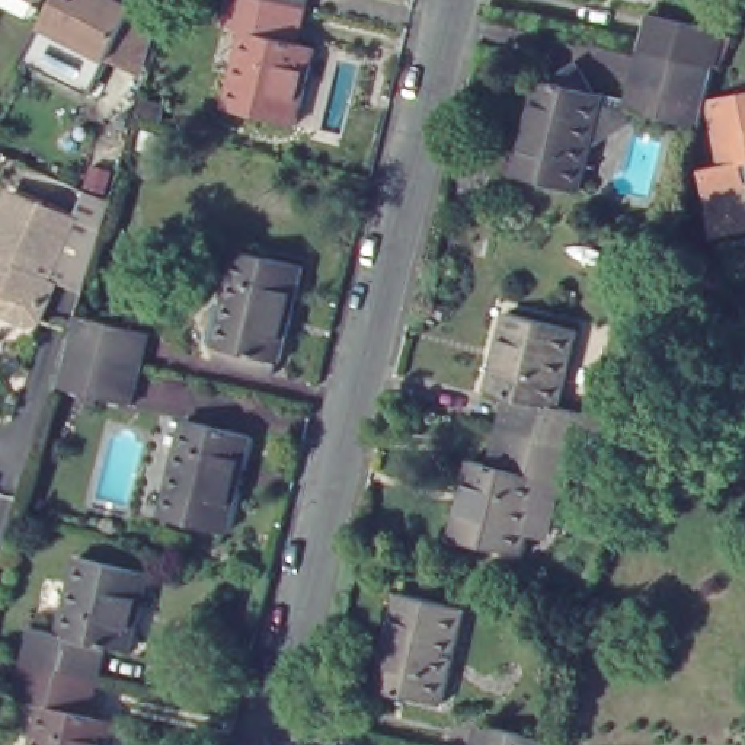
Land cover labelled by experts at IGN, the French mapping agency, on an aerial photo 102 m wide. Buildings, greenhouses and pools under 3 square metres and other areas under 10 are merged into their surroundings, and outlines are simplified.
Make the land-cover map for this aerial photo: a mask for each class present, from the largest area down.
<instances>
[{"label":"deciduous trees","instance_id":"1","mask_svg":"<svg viewBox=\"0 0 745 745\"><path fill-rule=\"evenodd\" d=\"M122 12L134 35L148 41L146 73L154 70L160 105H183L186 93H178V81L189 76V67H169V61L157 49H186L207 44L198 26L218 20L210 9V0H122ZM745 9V0H664L652 12L658 17L678 23H687L693 17L698 29L719 38L736 29L739 12ZM550 70H556L537 52L495 49L489 64L474 67L469 87L448 96L428 113L422 128V148L428 163L439 172V186L448 183V192L442 201H434L422 259H434L437 271L431 308L442 311V320H451L474 291V253L469 247H460L457 242L469 227H477V215H512L521 224V242L530 247L544 250L553 242L562 212H550V198L538 195L533 186L509 178V154L515 148L524 113L521 96H530L535 87H541V79ZM26 93H32L35 99H47L52 96V90L32 73V67L29 64L20 67V79L12 87H0V154L23 163L26 169L44 172L49 163L32 151L35 143L29 137V122L15 113V108ZM146 131L151 134L148 148L154 154V172L160 183H169L180 175H198L207 169V157L215 148H221L224 140L215 134V128L207 122L201 111H195L192 116H172V122L166 125L148 122ZM629 125L640 137H655L664 148L655 166L652 195L643 207H632L620 195L617 183H611L605 195L594 198L591 204L573 207V227L579 233V244L597 253L594 265H579L573 271L585 306V311L591 314V329L602 326L611 335L602 358L594 367H588V390L579 396L582 410L585 416H591L588 431L567 428L556 460V527H565L567 533L579 535V541L597 544L602 550L599 582L594 585L579 579V573L585 570V559H573L565 567L550 550H521L518 556L486 559L480 550L460 547L445 530L442 535H437L428 530L422 518L387 509L384 486H370V515H358L352 524L338 527L332 535L338 579L326 608L329 617L323 623H314L300 643L285 646L276 658L274 672L268 675V704L274 722L297 745H439L434 736L413 728L381 722L370 728L367 704L358 681L364 675V661L373 649L370 640L364 634L349 632L346 608L352 578L384 589L387 597H407L439 608H463L474 614V623L509 620L524 640L544 646V658L550 661V678L541 681L544 704L533 713L535 739L527 730L521 733L527 745H559L565 739V722L573 710L576 696L573 675L567 666L573 664L576 652L594 655L599 675L617 693L640 690L643 684H655L664 678L661 632L666 617L643 614L634 602H623V585H614V570L620 559L637 553L640 544L666 550L669 535L687 521V512H696L698 518L719 515V521L707 527L687 550H704L716 556L728 576L745 579V233L707 236L698 189L687 198L681 195V160L693 143L690 131L666 134L658 122L643 116H634ZM99 137L84 134L81 128H73L58 137V148L73 154V175L79 178H84L87 172V160H93ZM227 140L242 151H256L276 160L279 178H274V189L291 198V218L300 227L297 236L314 253H320L329 242H338L340 236L355 239L361 227L370 166L335 160L326 151V146L308 143L271 146L242 137L239 128H233ZM224 279L215 274V262L204 244L201 218L195 212L172 215L169 221H163L157 233L137 236L128 230L119 236L108 268V306L111 314L131 317L137 323L154 332L163 340L166 352L178 358L183 352V335L192 332V314L212 297L221 291ZM535 276L530 271L509 274L503 285L506 300H512V306L538 303L533 297ZM343 279L340 274L332 279H314V288L306 297L308 320L311 326L332 329ZM17 390L12 387V375L6 373L0 355V425L12 422ZM442 387H425L413 405H405L399 399L402 390L378 393L373 399L375 419H367L375 434H384L387 439H402L405 434H425V416L434 413L439 425L457 422L463 431L474 434L477 442L486 448L492 437L489 422L495 419V413H489L445 410L439 405ZM294 442L288 437L268 434L262 471L282 480H294ZM431 451H405V466L416 474V483L422 489H437L434 469L425 463ZM52 460L41 454V457L29 506L17 515L9 512L0 544V611L9 614L17 602L12 597V585L17 576V565L35 562L41 550L58 541V533H76L87 550L108 547L137 562L148 585L154 591H163L169 585H183L210 576L215 594L195 608V617L172 620L169 626H160L154 620L143 643L146 675V684L134 687L131 693L137 696L140 707L163 701L172 704L178 713L198 710L207 719L233 710L239 701L236 684L247 672L246 652L256 614L265 605L276 544L271 541L262 550H242L239 559H212V538L186 527L169 530L154 518L131 521L119 512L105 509L99 527L90 521L64 518L70 503L61 501L52 489ZM32 693L26 675L9 664V649L0 646V745H15L17 733L26 728L29 719ZM457 716H466V728L477 736H483L489 728L492 719L503 713V704L486 696L457 701L451 707ZM111 736L119 745H212V728L207 722H201L198 728H180L169 722H151L125 707L111 725Z\"/></svg>","mask_w":745,"mask_h":745},{"label":"building","instance_id":"2","mask_svg":"<svg viewBox=\"0 0 745 745\"><path fill-rule=\"evenodd\" d=\"M0 9L32 20L35 41L26 52L29 64L32 67L79 87L90 84L93 76L102 84H108L116 70L131 73L134 93L131 108L125 111V125L148 122L166 125L172 122V116L160 105L154 70L146 73L148 41L134 35L122 12V0H0ZM306 0H236L233 12L221 23L218 47L212 55V67L221 76L218 105L242 122L297 125L303 119L297 116L294 90L303 64H308L311 58L308 47H298ZM634 44L646 55L658 58L655 87H634L620 96H605L591 93L578 68L570 76H562L556 70H550L541 79V87H535L530 96H521L524 113L515 148L509 154V178L533 186L535 180L547 183L556 192H576L579 186L567 175L570 166H582L588 160V148L599 146L605 151V140L623 125H629L634 116H643L658 122L666 134L690 131L707 119V140L713 154L710 166L696 172L698 189L707 236L745 233V93L713 99L707 93L710 76L722 81L725 70L733 64V52L719 38L698 29L693 17L687 23H678L658 17L652 12L649 17L634 23L632 38ZM151 134L146 131L137 134V151L148 148ZM119 160H87V172L84 178H79L67 189L76 198L73 210L58 212L23 198L9 183L0 186V317H6L3 332L12 340H17L38 329V317L44 314L49 294L55 288L79 294L96 250L105 198L113 192ZM303 268L274 259L239 256L236 268L224 279L221 291L212 297L215 323L210 349L247 355L256 361H268L274 370H285L291 352L285 349V338L276 335V329L285 297L276 291L279 285H300ZM573 346L570 329L530 323L509 311L495 326V340H486L480 358L486 361L480 399L489 413H495V419L489 422L492 437L486 448L477 463H463L460 486L451 489L454 506L445 530L460 547L480 550L486 559L518 556L521 550H550V535L556 527V460L567 428L588 431L591 416H585L582 410H559L567 355ZM67 326V338H61L58 343L52 340L55 355L47 373V393H67L73 399V407L79 402H90L96 410H131L137 405L134 384L146 375L148 367L143 364V346L146 338L154 332L137 323L128 332L79 317L61 320ZM236 451L253 454V439L239 431H215L195 422H178L166 477L154 501V518L169 530L186 527L212 538L221 533H233L236 524L244 518V509L227 503V486L233 474L230 460ZM148 585L137 562L134 567H116L79 556L70 565L67 579L61 582L58 605L44 614V623L20 632V655L9 658V664L26 675L32 693L29 719L26 728L17 733L15 745H119L111 736V725L125 707L119 698L99 690L102 678L99 655L116 658L122 649H137L143 643L135 630ZM463 608H439L407 597H387V608L381 614L375 637L370 640L373 649L364 661V675L358 681L367 704L381 693L393 701V707H439L448 701L442 693ZM445 745H527L521 733L489 728L483 736H477L466 728H457L451 733V742Z\"/></svg>","mask_w":745,"mask_h":745},{"label":"herbaceous vegetation","instance_id":"3","mask_svg":"<svg viewBox=\"0 0 745 745\"><path fill-rule=\"evenodd\" d=\"M236 0H210V9L218 20L198 26L207 44L186 49H157L169 61V67H189V76L178 81V93H186L183 105H160L172 116H192L195 111H201L207 122L215 128V134L224 140L221 148H215L207 157V169L198 175H180L169 183H160L154 172V154L148 148L137 151L140 198L128 230L137 236L157 233L163 221H169L172 215L195 212L201 218L204 244L215 262V274L224 279L236 268L239 256L274 259L303 268L300 285H279L276 291L285 297L276 329V335L285 338V349L291 352L285 370L288 375H300L308 390L317 387L329 340L311 338L306 332L308 320L306 297L314 288V279H332L340 274L343 279L346 268L349 262L340 253L338 242H329L320 253H314L297 236L300 227L291 218V198L274 189V178H279L276 160L256 151H242L227 140L233 128H239L242 137L271 146L308 143L297 125L242 122L218 105L221 76L212 67V55L218 47L221 23L233 12ZM570 12L576 6H588L605 15L620 12L623 0H533ZM35 41L32 20L0 9V87H12L20 79V67L29 64L26 52ZM733 52V64L725 70L722 81L710 76L707 93L713 99L745 93V9L739 12L736 29L719 38ZM375 70L361 67L355 73L343 128L335 134L340 143L326 146V151L335 160L370 166L384 116L381 108H373L370 102ZM79 105L67 93L52 90V96L47 99H35L32 93H26L15 108V113L29 122V137L35 143L32 151L49 163L44 172L52 175L61 189H67L79 178L73 175V154L58 148V137L73 128H81L73 119ZM693 143L681 160V195L687 198L698 189L696 172L710 166L713 154L707 140V119L690 131ZM538 195L550 198V212H562L553 242L544 250L530 247L521 242V224L512 215H477V227H469L457 242L460 247H469L474 253V291L451 320H442V311L431 308L425 326L416 329L419 370H425L437 387H442L469 396L477 378L480 358L486 340L492 306L498 300H506L503 285L509 274L530 271L535 276L533 297L538 303L585 306L573 271L579 265H594L597 253L579 244V233L573 227V207L591 204L594 198L591 186H579L576 192H556L547 183L535 180L533 186ZM163 416L131 410H96L90 402H79L73 407L67 422L76 434L84 437L87 448L84 454H76L67 445H55L52 460V489L61 501L70 503L64 518L90 521L99 527L105 509L102 506H87V489L93 480L105 425L116 422L128 428L137 434H160ZM425 434H405L402 439H387L384 434H375L367 419L358 422V448L364 454L370 448H378L381 471L396 477V486H384L387 509L422 518L428 530L437 535H442L445 530L454 506L451 489L460 486L463 463H477L486 448L477 442L474 434L463 431L457 422L439 425L434 413L425 416ZM405 451H431L425 463L434 469L437 489H422L416 483V474L405 466ZM288 501L276 498L262 509L244 503V518L236 524L233 533H221L212 538V559H239L242 550H262L271 541L276 544ZM719 521V515L698 518L696 512H687V521L669 535L666 550L640 544L637 553L620 559L614 570V585H623V602H634L643 614L666 617L661 632L664 678L655 684H643L640 690L617 693L599 675L594 655L576 652L573 664L567 666L573 675L576 696L573 710L565 722V739L559 745H745V579L728 576L716 556L704 550H687L707 527ZM550 550L565 567L573 559H585V570L579 573V579L594 585L599 582L602 550L597 544L579 541V535L567 533L565 527H556L550 535ZM79 556L116 567H134L137 562L108 547L87 550L76 533H58V541L41 550L35 562L17 565V576L12 585V597L17 602L9 614L0 611V646L9 649V658L20 655V632L44 623V614L58 605L61 582L67 579L70 565ZM215 594L210 576L183 585H169L163 591H154L148 585L135 630L143 643L154 620L160 626H169L172 620L195 617V608ZM387 608V597L384 589L352 578L346 608L349 632L364 634L370 640L375 637L381 614ZM466 664L483 675H503L512 664L515 669H521V681L503 704V713L492 719L489 728L521 733L527 730L535 739L533 713L544 704L541 681L550 678V661L544 658V646L524 640L509 620L474 623V614L463 608L442 693L448 701L439 707H393V701L381 693L367 704L370 728L381 722L413 728L434 736L439 745H445L451 742V733L457 728H466V716H457L451 707L457 701L486 696L463 681ZM111 672L146 675L143 643L137 649H122L116 658L99 655L102 678H108Z\"/></svg>","mask_w":745,"mask_h":745},{"label":"impervious surface","instance_id":"4","mask_svg":"<svg viewBox=\"0 0 745 745\"><path fill-rule=\"evenodd\" d=\"M320 0H306L298 47H308L311 58L308 64H303L308 73L323 79L329 52L326 44L332 35L326 26L314 20V9ZM335 6L358 9L402 23V38L396 70L387 76V108H381L384 116L370 166L361 227L364 244L358 265L346 268L343 279L332 329L311 326L308 320L306 332L311 338L329 340L317 387L308 390L300 375H288L285 370H274L268 361H256L247 355L210 349L215 323L212 297L192 314V332L183 335V352L178 358L166 352L163 340L154 332L146 338L143 346V364L148 367L192 375L201 381H221L271 393L306 405L308 416L294 422L259 410H244L233 402H201L192 393L151 387L146 375L134 384L137 405L131 410L163 416L160 434H137L143 457L137 466L131 501L119 512L131 521L154 518V501L166 477L178 422H195L215 431H239L253 439V454L236 451L230 460L233 474L227 486V503L244 509V503L262 509L276 498L288 501L276 544L265 605L256 614L246 652L247 672L236 684L239 701L233 710L207 719V722L212 728V745H297L274 722L268 704V675L274 672L276 658L285 646L300 643L314 623H323L329 617L326 608L338 579L332 535L338 527L352 524L358 515H370V486H396V477L381 471L378 448H370L364 454L358 448V422L367 419H375L373 399L378 393L402 390L399 399L405 405H413L425 387H437L425 370H419L402 375L399 370L407 346V303L422 259L434 201H442L448 192V183L439 186V172L428 163L422 148V128L428 113L448 96L469 87L474 67L489 64L495 49L537 52L556 70L562 76H570L578 68L591 93L605 96H620L634 87H655L658 58L646 55L634 44L632 55L608 49L594 52L591 47L559 44L553 32H512L501 26H483L477 9L492 6V0H326ZM268 434L288 437L294 442V480H282L262 471ZM32 73L52 90L67 93L79 105L73 119L81 128L84 134L99 137L93 160H119L125 146V111L131 108L134 93L131 73L116 70L108 84H102L93 76L90 84L79 87L32 67ZM79 317V294L55 288L49 294L44 314L38 317V329L17 340H12L3 332L6 317H0V355L6 373L12 375V387L17 390L12 422L0 425V544L9 512L15 486L29 463V454L41 457V454L58 402L55 393H47V373L55 355L52 340L58 343L61 338H67V326L61 320ZM509 311L530 323L570 329L573 346L567 355L559 410H582L579 396L588 390V367H594L602 358L611 335L602 326L591 329V314L585 311V306L538 303L512 306V300H498L492 306L486 340H495V326ZM486 361L480 358L477 378L469 396L442 387L439 405L445 410L489 413L480 399ZM128 428L116 422L105 425L93 480L87 489V506H102L108 498L96 495V486L108 457V445ZM463 681L486 696L503 704L521 681V669H515L512 664L503 675H483L466 664Z\"/></svg>","mask_w":745,"mask_h":745},{"label":"brushwood","instance_id":"5","mask_svg":"<svg viewBox=\"0 0 745 745\"><path fill-rule=\"evenodd\" d=\"M314 20L326 26L329 20H346L402 38V23L358 9L335 6L326 0H320L314 9ZM483 26H501L512 32H553L559 44L591 47L594 52L608 49L632 55L634 44L632 38L614 35L605 23H594L576 15L570 17V23H565L559 17H541L492 6L477 9ZM329 52L343 49L352 55L375 58L381 49L378 41L332 35L326 44ZM148 122L125 125V146L119 160L113 192L105 198L96 250L79 294V317L128 332L137 323L131 317L111 314L108 306V268L119 236L128 230L140 198L137 151V134L146 131ZM364 244L361 227L355 239L340 236L338 242L340 253L349 262L346 268L358 265ZM437 271L434 259H422L407 303V346L399 370L402 375L419 370L416 329L425 326L431 308ZM151 387L192 393L201 402H233L244 410H259L294 422L308 416L306 405L271 393L221 381H201L192 375L148 367L146 375ZM55 393L58 402L41 454L52 460L55 445H67L76 454H84L87 448L84 437L76 434L67 422L73 407V399L67 393ZM41 457L29 454V463L15 486L9 512L17 515L29 506ZM146 684V675L111 672L108 678H102L99 690L119 698L131 693L134 687Z\"/></svg>","mask_w":745,"mask_h":745},{"label":"pervious surface","instance_id":"6","mask_svg":"<svg viewBox=\"0 0 745 745\"><path fill-rule=\"evenodd\" d=\"M664 0H623L620 12L605 15L588 6H576L570 12L533 0H492V6L541 17H559L565 23H570V17L576 15L594 23H605L614 35L632 38L634 23L649 17L652 12ZM332 35L378 41L381 49L375 58L352 55L343 49L329 52L323 79L308 73L303 64L294 90L297 116L303 119L297 125L308 143L326 146L340 143L335 134L323 128V113L335 81V70L340 64H349L355 73L361 67L375 70L370 102L373 108H387V76L396 70L402 38L346 20H329L326 26ZM640 137L629 125H623L605 140V151L599 146L588 148V160L582 166H570L567 175L579 186H591L594 198L605 195L611 183H617L614 175L626 169L632 146ZM9 183L23 198L58 212L73 210L76 198L67 189H61L52 175L44 172L26 169L23 163L0 154V186ZM125 707L151 722H169L180 728H198L201 722H207V719L198 710L178 713L172 704L163 701L140 707L137 696L131 693L119 698Z\"/></svg>","mask_w":745,"mask_h":745},{"label":"swimming pool","instance_id":"7","mask_svg":"<svg viewBox=\"0 0 745 745\"><path fill-rule=\"evenodd\" d=\"M355 73L349 64H340L335 70V81L323 113V128L335 134L343 128ZM664 148L655 137H640L632 146L626 169L614 175L617 183L620 195L632 207H643L652 195L655 166ZM143 457L137 434L128 428L108 445V457L96 486V495L108 498L102 506L105 509L119 512L131 501L137 466Z\"/></svg>","mask_w":745,"mask_h":745}]
</instances>
